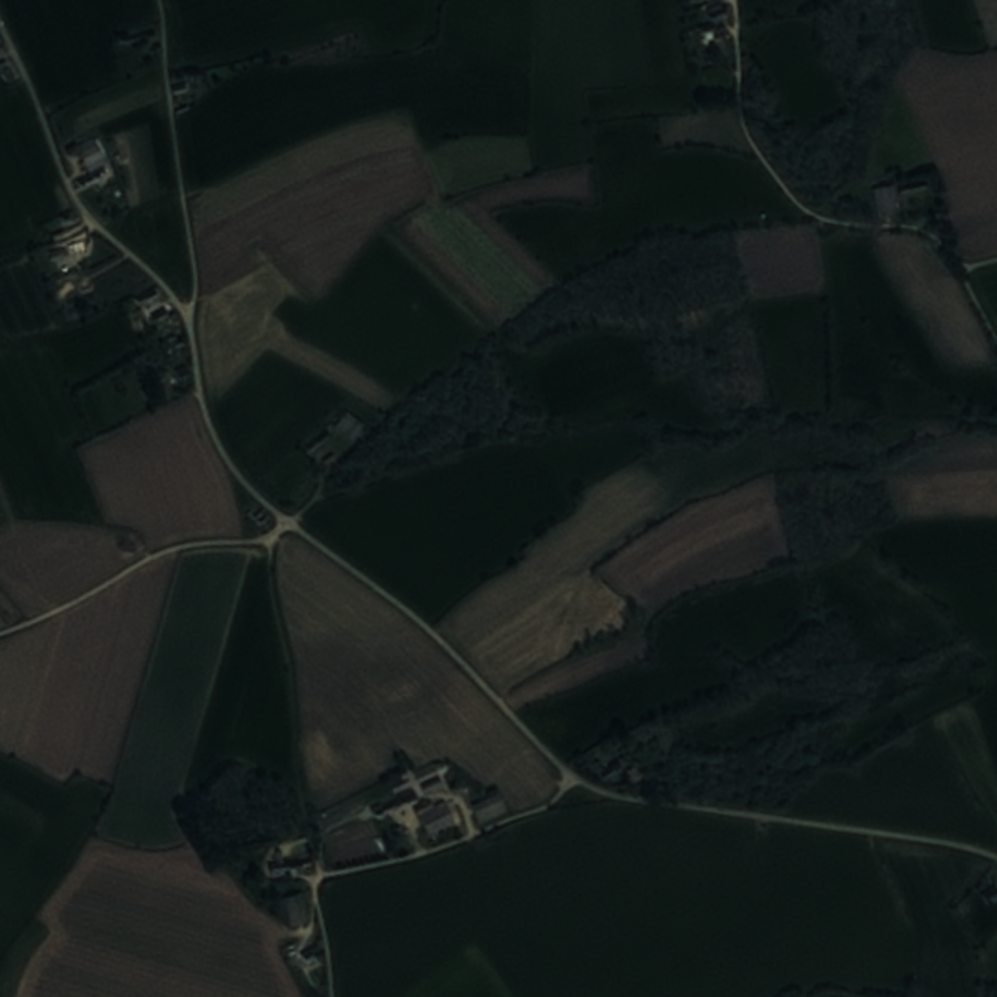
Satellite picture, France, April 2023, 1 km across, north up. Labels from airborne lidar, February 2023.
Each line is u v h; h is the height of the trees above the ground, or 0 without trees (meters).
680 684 0
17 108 0
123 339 0
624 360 0
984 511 0
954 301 0
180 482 0
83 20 0
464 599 0
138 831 0
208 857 16
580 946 0
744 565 0
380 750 0
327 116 0
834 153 13
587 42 0
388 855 8
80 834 0
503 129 0
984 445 0
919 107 0
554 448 0
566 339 11
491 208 0
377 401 0
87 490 0
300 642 0
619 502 0
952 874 0
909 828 0
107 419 0
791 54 0
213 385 0
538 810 0
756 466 0
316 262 0
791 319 0
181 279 0
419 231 0
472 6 0
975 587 0
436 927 0
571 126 0
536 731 0
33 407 0
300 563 0
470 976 0
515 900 0
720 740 0
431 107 0
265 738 0
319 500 0
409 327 0
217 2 0
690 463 0
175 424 0
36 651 0
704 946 0
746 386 7
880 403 0
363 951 0
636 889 0
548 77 0
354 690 0
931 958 0
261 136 0
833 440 10
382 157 0
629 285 16
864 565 0
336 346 0
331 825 0
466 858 0
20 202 0
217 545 0
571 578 0
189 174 0
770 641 0
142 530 0
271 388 0
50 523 0
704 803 11
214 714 0
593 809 0
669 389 0
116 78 0
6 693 0
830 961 0
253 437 0
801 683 8
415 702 0
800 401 0
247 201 0
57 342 0
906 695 5
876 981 0
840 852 0
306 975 0
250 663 0
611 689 0
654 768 7
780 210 0
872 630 0
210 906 0
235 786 15
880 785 0
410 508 0
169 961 0
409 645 0
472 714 0
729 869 0
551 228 0
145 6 0
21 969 0
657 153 0
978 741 0
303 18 0
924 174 9
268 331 0
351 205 0
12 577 0
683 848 0
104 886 0
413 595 0
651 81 0
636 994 0
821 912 0
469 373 7
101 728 0
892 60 20
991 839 0
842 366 0
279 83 0
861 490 10
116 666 0
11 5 0
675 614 0
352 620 0
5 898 0
